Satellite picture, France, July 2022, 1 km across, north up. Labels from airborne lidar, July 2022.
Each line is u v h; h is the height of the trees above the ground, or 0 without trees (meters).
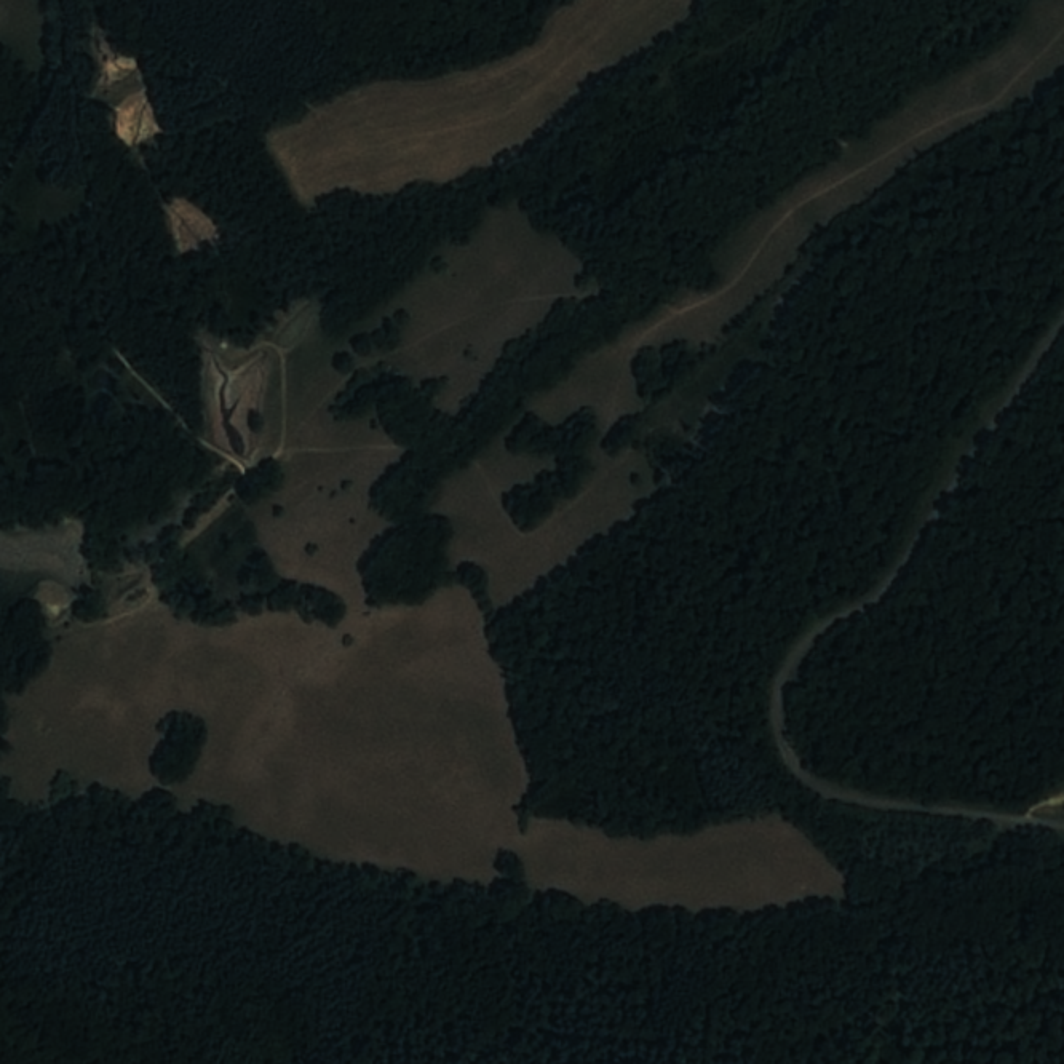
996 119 9
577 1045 31
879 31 19
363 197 14
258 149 11
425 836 0
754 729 25
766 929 22
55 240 7
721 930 30
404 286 8
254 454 0
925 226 28
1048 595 28
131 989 17
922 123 0
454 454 18
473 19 28
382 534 0
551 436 24
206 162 16
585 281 14
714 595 27
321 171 0
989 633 19
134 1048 24
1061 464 28
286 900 21
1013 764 22
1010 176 24
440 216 9
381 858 0
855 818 8
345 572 0
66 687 0
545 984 13
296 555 0
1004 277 25
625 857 0
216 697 0
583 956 30
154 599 0
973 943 6
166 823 27
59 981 34
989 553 26
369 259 16
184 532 7
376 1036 27
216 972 27
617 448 16
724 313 0
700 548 26
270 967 26
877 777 19
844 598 17
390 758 0
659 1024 30
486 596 19
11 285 23
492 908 23
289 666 0
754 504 25
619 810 22
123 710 0
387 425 8
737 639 22
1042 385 16
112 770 0
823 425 21
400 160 0
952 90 0
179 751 23
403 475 16
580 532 0
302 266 22
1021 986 31
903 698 23
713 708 26
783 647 24
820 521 26
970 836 13
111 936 23
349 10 28
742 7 8
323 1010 21
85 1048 26
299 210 10
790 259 0
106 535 17
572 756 22
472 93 0
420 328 0
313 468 0
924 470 20
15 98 22
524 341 8
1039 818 0
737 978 19
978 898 17
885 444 27
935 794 19
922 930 25
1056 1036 36
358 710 0
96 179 23
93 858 28
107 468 25
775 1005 28
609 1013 36
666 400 19
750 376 25
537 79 0
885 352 23
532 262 0
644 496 0
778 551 24
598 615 27
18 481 25
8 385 25
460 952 29
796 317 21
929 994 27
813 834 15
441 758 0
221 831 24
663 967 17
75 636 0
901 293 24
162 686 0
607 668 22
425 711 0
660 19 0
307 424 0
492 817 0
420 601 16
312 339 0
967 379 21
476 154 0
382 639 0
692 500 24
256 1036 17
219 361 0
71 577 0
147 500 27
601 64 0
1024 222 26
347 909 28
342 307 11
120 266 21
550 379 22
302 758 0
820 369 27
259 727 0
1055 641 24
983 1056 37
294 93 20
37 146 28
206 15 23
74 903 24
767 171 19
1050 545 25
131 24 26
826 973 23
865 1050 30
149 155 16
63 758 0
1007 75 0
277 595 18
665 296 23
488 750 0
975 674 20
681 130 6
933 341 26
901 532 22
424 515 22
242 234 24
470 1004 21
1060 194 28
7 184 23
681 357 11
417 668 0
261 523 0
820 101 17
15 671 16
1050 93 23
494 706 0
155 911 26
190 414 16
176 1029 25
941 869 10
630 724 22
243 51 28
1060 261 23
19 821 15
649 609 28
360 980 25
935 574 21
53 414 18
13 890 22
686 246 27
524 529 14
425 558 25
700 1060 29
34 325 26
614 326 25
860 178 0
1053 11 0
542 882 0
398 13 28
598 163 25
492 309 0
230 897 28
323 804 0
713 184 22
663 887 0
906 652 19
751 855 0
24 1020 17
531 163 25
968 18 23
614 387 0
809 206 0
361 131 0
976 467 23
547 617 23
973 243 26
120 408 21
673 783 13
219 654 0
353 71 17
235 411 0
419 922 23
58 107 31
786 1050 25
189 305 20
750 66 6
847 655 21
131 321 26
